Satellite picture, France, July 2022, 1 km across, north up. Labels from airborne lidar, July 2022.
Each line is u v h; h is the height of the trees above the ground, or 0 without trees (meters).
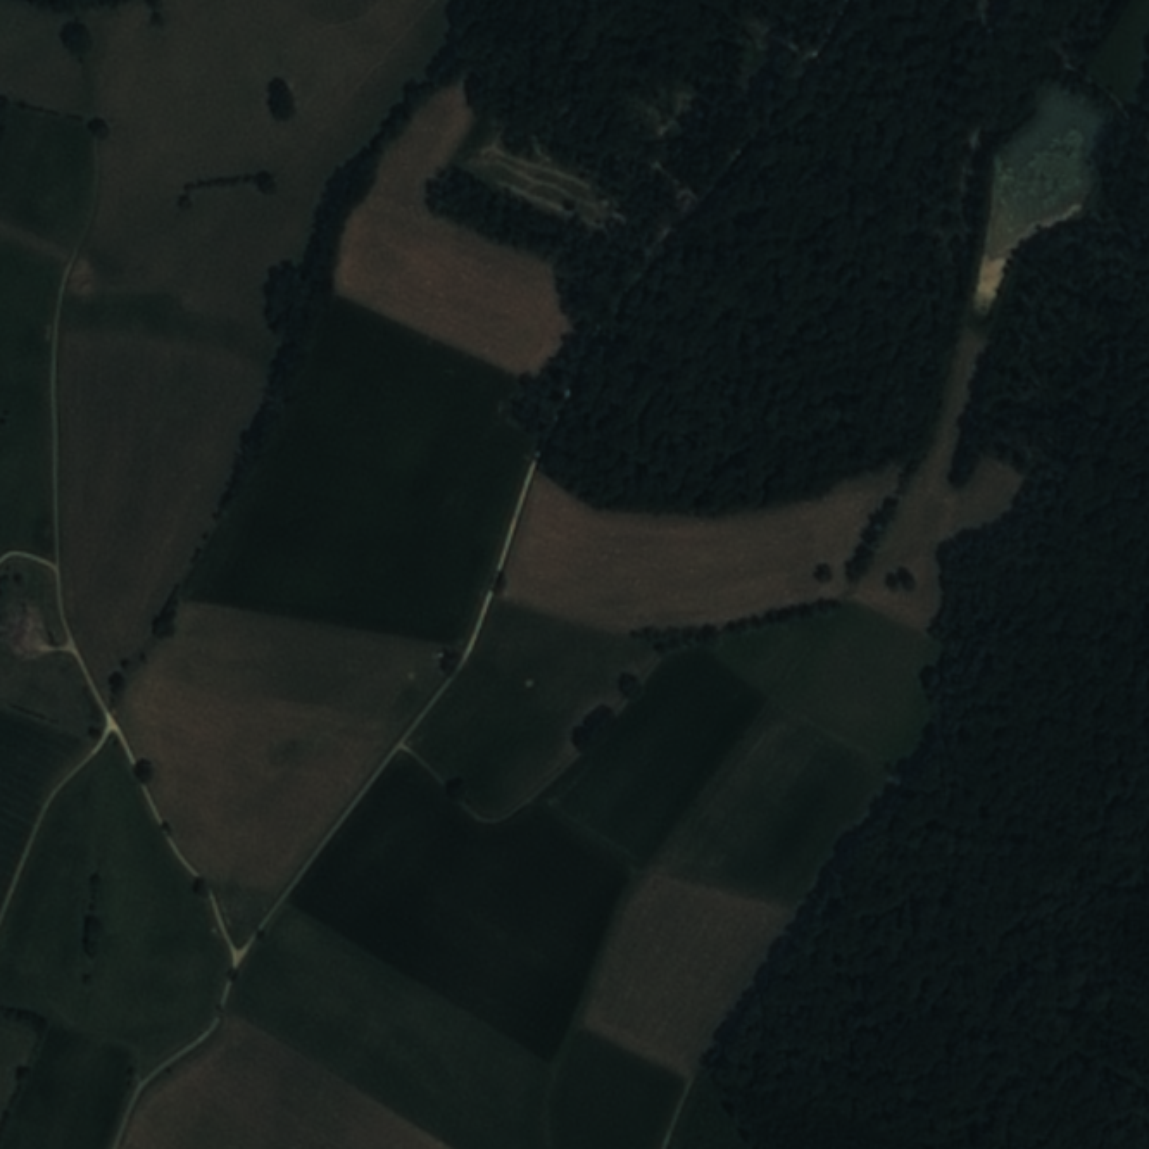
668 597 0
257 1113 0
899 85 19
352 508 0
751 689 0
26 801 0
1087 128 0
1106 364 8
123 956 0
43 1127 0
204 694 0
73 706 0
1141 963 16
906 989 27
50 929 0
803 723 0
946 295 27
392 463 0
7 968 0
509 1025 0
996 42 26
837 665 0
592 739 15
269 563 0
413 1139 0
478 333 0
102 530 0
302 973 0
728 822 0
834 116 21
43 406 0
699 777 0
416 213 0
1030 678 24
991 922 25
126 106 0
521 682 0
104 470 0
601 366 23
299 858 0
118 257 0
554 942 0
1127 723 25
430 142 0
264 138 0
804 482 18
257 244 0
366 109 0
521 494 0
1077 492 26
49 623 0
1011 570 27
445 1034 0
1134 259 16
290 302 21
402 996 0
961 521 0
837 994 27
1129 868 25
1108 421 16
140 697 0
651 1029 0
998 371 21
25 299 0
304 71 0
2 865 0
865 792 0
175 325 0
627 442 26
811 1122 12
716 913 0
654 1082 0
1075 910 24
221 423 0
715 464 14
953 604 13
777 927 0
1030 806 23
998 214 0
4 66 0
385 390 0
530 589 0
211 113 0
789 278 26
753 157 15
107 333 0
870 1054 30
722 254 21
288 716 0
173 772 0
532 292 0
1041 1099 27
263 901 0
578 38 27
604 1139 0
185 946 0
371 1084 0
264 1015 0
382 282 0
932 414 17
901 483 7
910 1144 15
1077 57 8
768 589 0
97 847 0
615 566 0
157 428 0
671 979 0
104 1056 0
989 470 0
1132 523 24
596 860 0
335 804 0
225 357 0
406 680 0
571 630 0
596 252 21
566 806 0
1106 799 18
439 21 0
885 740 0
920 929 26
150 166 0
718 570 0
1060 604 25
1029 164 0
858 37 23
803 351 24
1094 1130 25
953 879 22
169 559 0
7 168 0
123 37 0
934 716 6
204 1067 0
